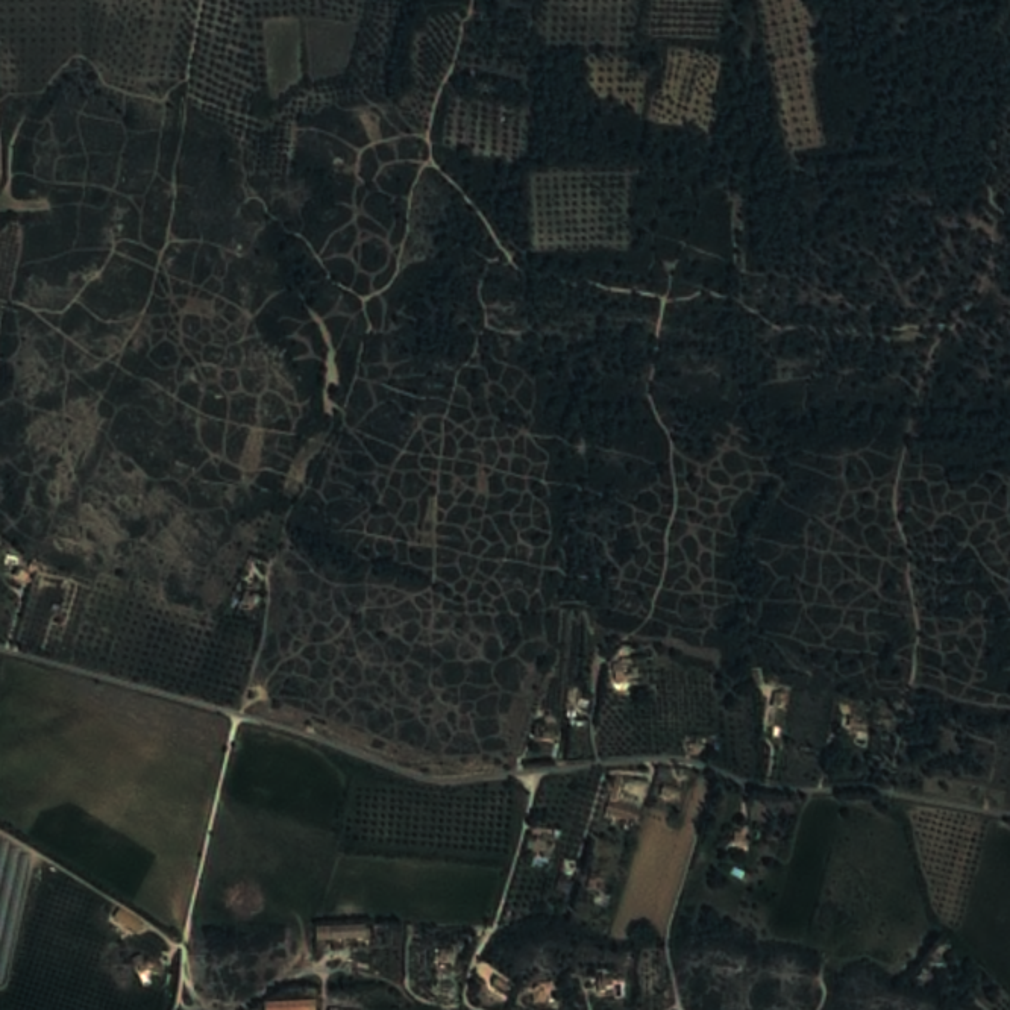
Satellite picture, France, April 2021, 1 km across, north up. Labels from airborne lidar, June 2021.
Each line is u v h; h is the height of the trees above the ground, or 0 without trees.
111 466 0
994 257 13
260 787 0
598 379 13
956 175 15
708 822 16
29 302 0
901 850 0
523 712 0
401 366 0
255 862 0
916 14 12
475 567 0
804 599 0
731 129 14
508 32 11
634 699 11
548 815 8
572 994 12
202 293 0
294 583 0
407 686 0
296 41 0
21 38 0
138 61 0
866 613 0
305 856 0
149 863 0
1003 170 15
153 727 0
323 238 0
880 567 0
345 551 10
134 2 0
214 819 0
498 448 0
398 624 0
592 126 14
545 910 6
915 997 0
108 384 0
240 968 0
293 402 0
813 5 14
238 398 0
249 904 0
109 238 0
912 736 16
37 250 0
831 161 11
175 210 0
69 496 0
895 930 0
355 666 0
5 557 0
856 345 12
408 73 13
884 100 13
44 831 0
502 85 12
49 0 0
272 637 0
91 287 0
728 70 9
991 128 17
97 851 0
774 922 0
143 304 0
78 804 0
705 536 0
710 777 10
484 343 7
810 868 0
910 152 16
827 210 10
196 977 0
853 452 0
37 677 0
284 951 0
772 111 10
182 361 0
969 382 15
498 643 0
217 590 0
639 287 6
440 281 10
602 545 6
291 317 0
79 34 0
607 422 11
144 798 0
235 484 0
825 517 0
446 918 0
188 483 0
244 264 0
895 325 6
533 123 7
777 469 9
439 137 0
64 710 0
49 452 0
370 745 0
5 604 0
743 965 0
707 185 14
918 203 11
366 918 8
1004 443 15
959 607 7
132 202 0
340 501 0
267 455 0
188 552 0
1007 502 0
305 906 0
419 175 0
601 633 0
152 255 0
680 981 0
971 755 8
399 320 12
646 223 0
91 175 0
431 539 0
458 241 8
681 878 0
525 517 0
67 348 0
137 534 0
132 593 0
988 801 0
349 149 0
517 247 7
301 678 0
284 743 0
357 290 0
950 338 11
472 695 0
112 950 0
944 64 17
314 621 0
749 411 15
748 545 13
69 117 0
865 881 0
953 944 6
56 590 0
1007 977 0
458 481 0
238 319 0
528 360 8
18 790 0
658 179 8
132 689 0
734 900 0
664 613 0
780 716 0
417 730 0
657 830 0
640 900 0
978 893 0
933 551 8
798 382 0
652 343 9
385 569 12
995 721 8
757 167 13
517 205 15
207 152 0
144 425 0
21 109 0
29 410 0
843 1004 0
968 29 14
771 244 10
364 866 0
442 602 0
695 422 10
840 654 8
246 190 0
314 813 0
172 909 0
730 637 13
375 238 0
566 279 14
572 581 9
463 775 0
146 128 0
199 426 0
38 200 0
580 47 8
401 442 0
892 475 0
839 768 19
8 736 0
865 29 14
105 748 0
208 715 0
